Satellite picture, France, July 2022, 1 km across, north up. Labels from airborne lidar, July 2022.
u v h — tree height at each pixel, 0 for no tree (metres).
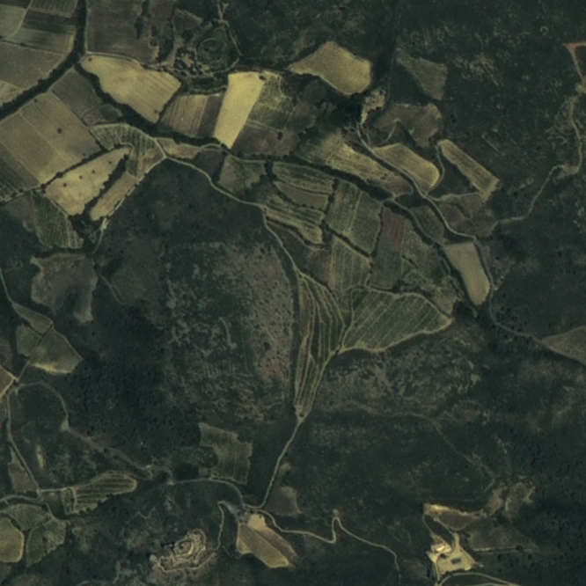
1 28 0
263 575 0
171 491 0
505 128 0
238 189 0
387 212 0
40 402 0
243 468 0
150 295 0
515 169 0
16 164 0
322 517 0
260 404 0
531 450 10
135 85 0
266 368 0
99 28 0
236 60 7
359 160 0
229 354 0
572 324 9
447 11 0
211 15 7
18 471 0
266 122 0
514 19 0
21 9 0
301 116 0
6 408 0
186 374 0
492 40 0
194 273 0
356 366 0
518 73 0
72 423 9
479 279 0
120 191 0
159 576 0
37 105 0
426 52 0
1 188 0
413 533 0
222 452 0
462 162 0
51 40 0
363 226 0
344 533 0
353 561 0
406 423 0
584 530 7
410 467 0
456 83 0
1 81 0
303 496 0
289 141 0
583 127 0
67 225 0
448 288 0
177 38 0
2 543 0
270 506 0
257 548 0
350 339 0
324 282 8
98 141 7
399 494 0
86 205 6
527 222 0
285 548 0
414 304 0
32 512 0
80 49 13
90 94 0
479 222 0
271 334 0
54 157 0
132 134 0
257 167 0
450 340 0
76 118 0
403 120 0
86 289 0
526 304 0
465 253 0
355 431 0
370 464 0
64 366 0
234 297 0
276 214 0
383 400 0
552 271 0
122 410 8
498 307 0
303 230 0
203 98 0
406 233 0
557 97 0
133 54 0
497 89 0
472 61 0
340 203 0
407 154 0
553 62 0
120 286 0
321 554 0
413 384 0
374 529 0
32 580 0
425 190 0
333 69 0
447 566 0
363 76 0
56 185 0
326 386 0
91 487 0
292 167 0
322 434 0
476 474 0
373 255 9
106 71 0
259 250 0
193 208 7
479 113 0
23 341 0
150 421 8
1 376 0
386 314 0
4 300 7
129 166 0
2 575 0
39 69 0
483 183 0
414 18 0
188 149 0
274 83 0
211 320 0
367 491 0
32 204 0
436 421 0
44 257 6
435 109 0
